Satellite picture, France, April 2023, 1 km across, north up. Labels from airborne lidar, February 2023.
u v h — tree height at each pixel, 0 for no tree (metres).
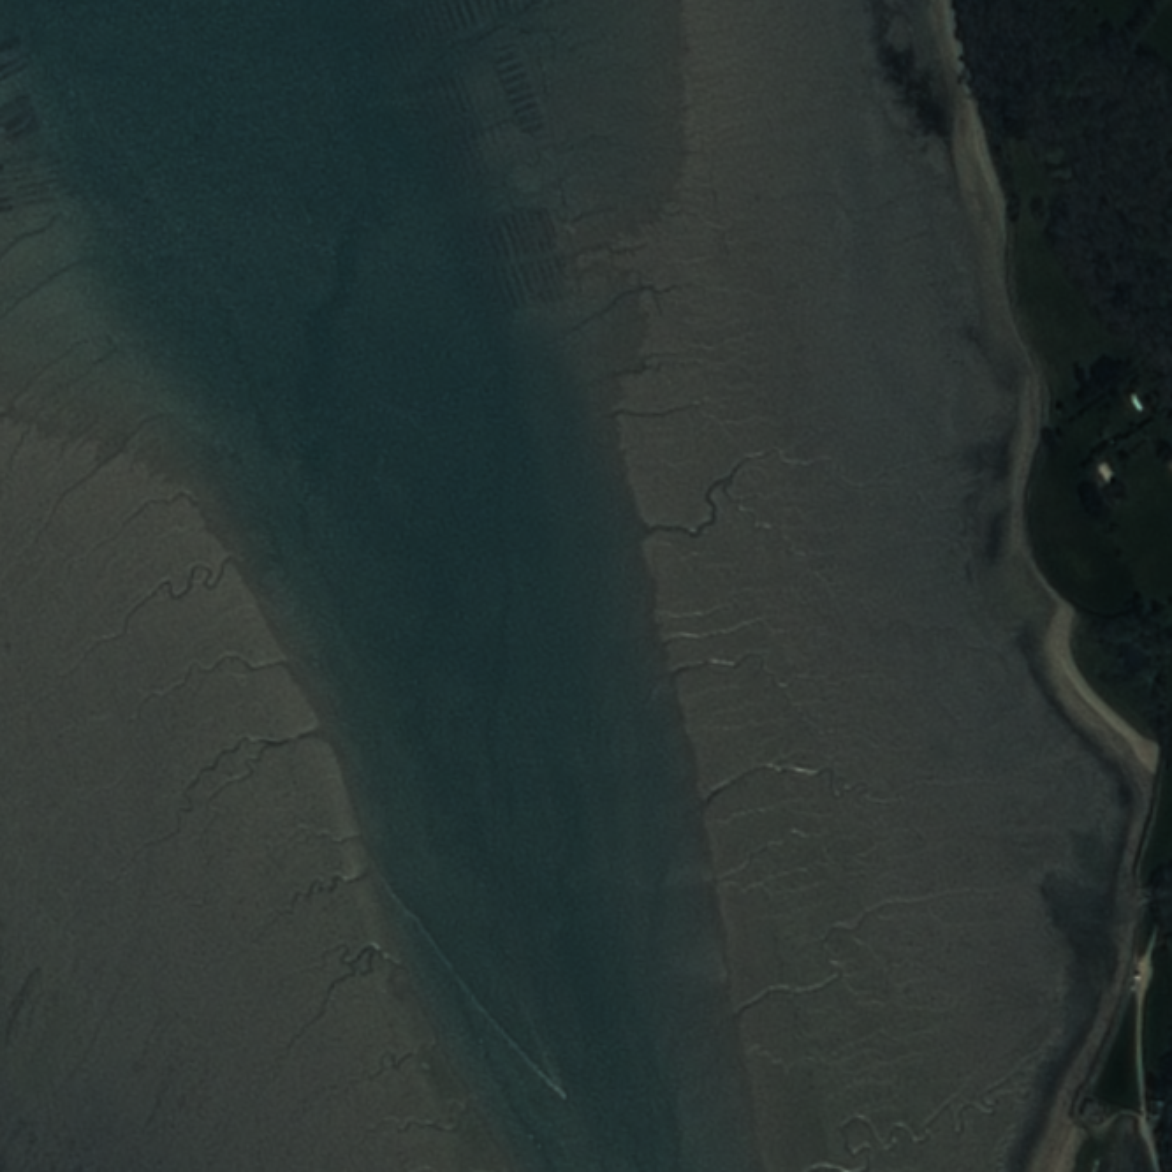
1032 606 0
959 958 0
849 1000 0
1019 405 0
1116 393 7
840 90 0
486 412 0
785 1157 0
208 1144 0
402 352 0
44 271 0
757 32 0
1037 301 0
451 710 0
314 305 0
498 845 0
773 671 0
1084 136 18
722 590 0
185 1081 0
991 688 0
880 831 0
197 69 0
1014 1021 0
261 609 0
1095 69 19
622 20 0
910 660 0
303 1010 0
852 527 0
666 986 0
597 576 0
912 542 0
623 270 0
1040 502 0
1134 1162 0
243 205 0
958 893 0
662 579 0
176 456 0
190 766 0
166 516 0
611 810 0
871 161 0
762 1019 0
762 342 0
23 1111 0
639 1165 0
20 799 0
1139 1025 0
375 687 0
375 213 0
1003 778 0
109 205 0
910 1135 0
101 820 0
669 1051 0
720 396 0
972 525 0
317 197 0
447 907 0
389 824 0
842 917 0
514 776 0
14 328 0
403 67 0
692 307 0
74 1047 0
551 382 0
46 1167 0
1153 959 0
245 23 0
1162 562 0
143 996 0
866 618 0
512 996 0
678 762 0
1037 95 22
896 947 0
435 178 0
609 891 0
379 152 0
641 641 0
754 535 0
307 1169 0
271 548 0
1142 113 19
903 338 0
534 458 0
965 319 0
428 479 0
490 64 0
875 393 0
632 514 0
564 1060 0
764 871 0
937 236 0
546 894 0
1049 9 13
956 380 0
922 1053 0
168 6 0
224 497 0
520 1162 0
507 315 0
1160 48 0
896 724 0
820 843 0
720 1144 0
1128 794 0
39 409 0
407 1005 0
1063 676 0
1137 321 20
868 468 0
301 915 0
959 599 0
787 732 0
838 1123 0
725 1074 0
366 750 0
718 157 0
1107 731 0
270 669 0
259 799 0
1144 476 0
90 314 0
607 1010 0
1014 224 6
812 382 0
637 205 0
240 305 0
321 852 0
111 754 0
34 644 0
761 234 0
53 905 0
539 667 0
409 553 0
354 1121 0
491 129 0
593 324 0
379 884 0
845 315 0
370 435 0
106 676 0
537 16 0
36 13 0
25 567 0
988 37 19
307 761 0
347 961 0
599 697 0
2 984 0
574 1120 0
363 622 0
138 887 0
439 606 0
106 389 0
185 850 0
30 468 0
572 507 0
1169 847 0
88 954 0
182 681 0
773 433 0
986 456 0
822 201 0
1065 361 0
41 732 0
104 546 0
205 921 0
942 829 0
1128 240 22
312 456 0
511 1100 0
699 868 0
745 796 0
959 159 0
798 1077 0
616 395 0
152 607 0
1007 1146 0
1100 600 0
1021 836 0
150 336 0
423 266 0
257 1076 0
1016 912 0
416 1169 0
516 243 0
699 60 0
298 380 0
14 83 0
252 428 0
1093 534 0
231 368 0
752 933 0
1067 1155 0
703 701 0
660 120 0
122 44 0
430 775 0
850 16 0
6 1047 0
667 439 0
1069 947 0
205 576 0
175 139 0
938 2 0
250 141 0
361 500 0
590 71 0
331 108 0
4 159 0
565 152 0
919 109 0
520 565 0
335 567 0
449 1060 0
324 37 0
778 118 0
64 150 0
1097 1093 0
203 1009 0
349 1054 0
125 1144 0
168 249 0
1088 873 0
